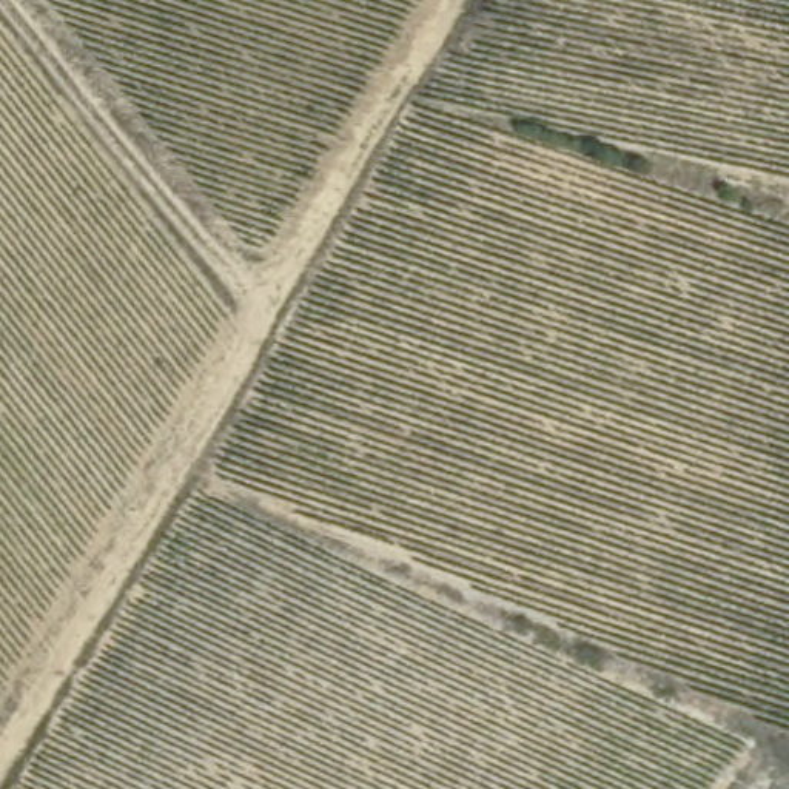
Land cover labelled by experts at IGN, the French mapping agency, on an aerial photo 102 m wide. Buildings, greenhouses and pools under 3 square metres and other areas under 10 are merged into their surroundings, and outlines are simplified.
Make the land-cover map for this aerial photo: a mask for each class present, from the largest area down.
<instances>
[{"label":"vineyard","instance_id":"1","mask_svg":"<svg viewBox=\"0 0 789 789\"><path fill-rule=\"evenodd\" d=\"M419 0H0V734L15 715L25 693L22 681H12V687L3 684L6 666H12L22 656V647L31 638V623L43 619L59 583L71 570V561L96 533V521L111 509L114 493L123 490L139 450L151 444V428L170 413L179 385L203 358V348L216 339L219 321L237 314L234 293L216 271L222 265H231L237 256L250 265L265 262L262 243H268V237L277 234L284 210L296 206L302 182L314 173L321 154H327L324 136L336 133L345 123L358 96L367 89L370 71L382 65L388 43L398 37L407 12ZM780 727L789 730V0H465L441 49L425 65L407 102L395 108V117L388 120L382 139L376 142L373 154L364 160L358 179L351 182L321 243L314 247L293 290L280 302L268 327V336L262 339L259 354L243 382L237 385L213 438L191 465L185 484L173 496L139 561L129 567L114 601L89 632L86 644L68 669V678L59 684L52 703L31 730L25 749L15 755L6 777L0 780V789H727L734 777L746 767V761H752L755 746L774 737Z\"/></svg>","mask_w":789,"mask_h":789},{"label":"pervious surface","instance_id":"2","mask_svg":"<svg viewBox=\"0 0 789 789\"><path fill-rule=\"evenodd\" d=\"M351 182L333 170L324 179L314 173L302 182L296 206L284 210L277 234L268 237V243H262L265 262L250 265L237 256L231 265H222L216 271L234 293L237 314L219 321L216 339L203 348V358L179 385L170 413L151 428V444L139 450L123 490L114 493L111 509L96 521V533L71 561V570L59 583L43 619L31 623V638L22 647V656L12 666H6L3 684L12 687V681H22L25 693L15 715L0 734V780L6 777L15 755L25 749L31 730L52 703L59 684L68 678V669L86 644L89 632L114 601L129 567L139 561L173 496L185 484L191 465L213 438L237 385L243 382L259 354L262 339L268 336V327L280 302L293 290L314 247L321 243Z\"/></svg>","mask_w":789,"mask_h":789},{"label":"herbaceous vegetation","instance_id":"3","mask_svg":"<svg viewBox=\"0 0 789 789\"><path fill-rule=\"evenodd\" d=\"M465 0H419L407 12L398 37L388 43L382 65L370 71L367 89L358 96L345 123L336 133L324 136L327 154H321L314 173L324 179L333 170L351 182L358 179L364 160L373 154L376 142L382 139L388 120L395 117V108L407 102L425 65L441 49ZM727 789H789V730L780 727L774 737L755 746L752 761H746V767L734 777Z\"/></svg>","mask_w":789,"mask_h":789}]
</instances>
